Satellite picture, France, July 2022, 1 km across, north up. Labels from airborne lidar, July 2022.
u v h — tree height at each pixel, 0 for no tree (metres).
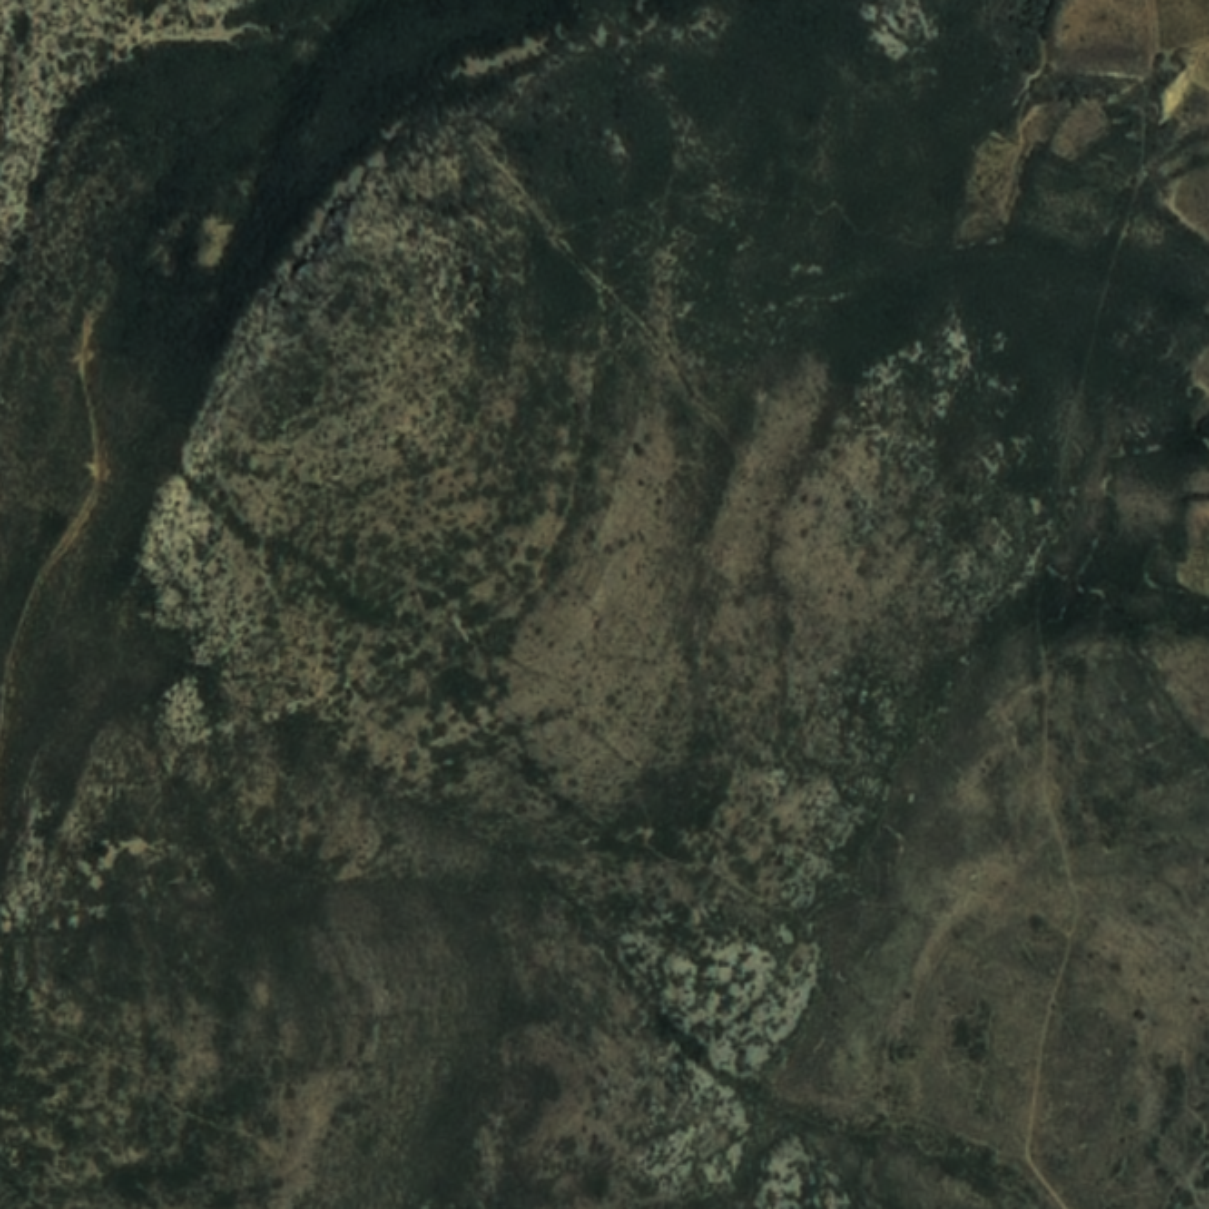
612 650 0
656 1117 0
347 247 0
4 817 0
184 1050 0
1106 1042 0
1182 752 0
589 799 0
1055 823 0
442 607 0
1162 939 0
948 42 0
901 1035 0
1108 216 0
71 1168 0
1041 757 0
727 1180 0
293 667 0
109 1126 0
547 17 6
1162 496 0
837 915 0
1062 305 0
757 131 0
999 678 0
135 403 0
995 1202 0
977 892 0
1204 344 0
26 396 0
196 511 0
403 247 0
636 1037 0
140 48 7
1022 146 0
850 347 0
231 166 7
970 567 0
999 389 0
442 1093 0
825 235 0
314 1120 0
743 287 0
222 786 0
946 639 0
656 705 0
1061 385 0
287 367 0
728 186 0
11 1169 0
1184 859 0
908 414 0
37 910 0
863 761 0
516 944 0
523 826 0
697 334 0
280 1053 0
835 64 0
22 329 0
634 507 0
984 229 0
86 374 0
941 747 0
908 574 0
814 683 0
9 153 0
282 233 8
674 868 0
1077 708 0
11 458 0
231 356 0
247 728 0
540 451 0
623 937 0
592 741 0
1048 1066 0
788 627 0
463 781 0
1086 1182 0
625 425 0
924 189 0
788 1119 0
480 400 0
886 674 0
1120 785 0
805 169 0
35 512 0
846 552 0
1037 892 0
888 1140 0
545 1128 0
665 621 0
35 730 0
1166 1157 0
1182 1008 0
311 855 0
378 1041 0
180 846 0
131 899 0
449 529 0
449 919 0
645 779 0
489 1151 0
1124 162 0
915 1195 0
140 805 0
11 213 0
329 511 0
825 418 0
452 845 0
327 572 0
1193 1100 0
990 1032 0
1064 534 0
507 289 0
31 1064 0
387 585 0
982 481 0
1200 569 0
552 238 0
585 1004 0
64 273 0
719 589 0
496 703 0
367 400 0
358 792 0
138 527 0
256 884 0
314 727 0
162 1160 0
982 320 0
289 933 0
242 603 0
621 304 0
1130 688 0
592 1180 0
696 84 0
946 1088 0
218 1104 0
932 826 0
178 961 0
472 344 0
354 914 0
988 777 0
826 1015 0
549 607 0
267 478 0
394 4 9
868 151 0
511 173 0
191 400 0
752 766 0
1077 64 0
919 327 0
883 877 0
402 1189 0
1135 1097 0
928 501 0
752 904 0
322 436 0
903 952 0
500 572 0
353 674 0
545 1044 0
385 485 0
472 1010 0
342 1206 0
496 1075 0
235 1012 0
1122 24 0
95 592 0
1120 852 0
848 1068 0
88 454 0
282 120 7
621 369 0
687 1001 0
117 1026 0
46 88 0
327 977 0
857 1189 0
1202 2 0
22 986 0
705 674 0
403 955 0
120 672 0
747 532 0
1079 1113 0
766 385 0
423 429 0
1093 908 0
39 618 0
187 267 6
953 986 0
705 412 0
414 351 0
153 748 0
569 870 0
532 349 0
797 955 0
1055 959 0
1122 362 0
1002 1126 0
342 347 0
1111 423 0
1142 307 0
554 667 0
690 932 0
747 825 0
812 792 0
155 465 0
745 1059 0
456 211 7
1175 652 0
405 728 0
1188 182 0
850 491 0
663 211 0
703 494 0
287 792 0
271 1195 0
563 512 0
